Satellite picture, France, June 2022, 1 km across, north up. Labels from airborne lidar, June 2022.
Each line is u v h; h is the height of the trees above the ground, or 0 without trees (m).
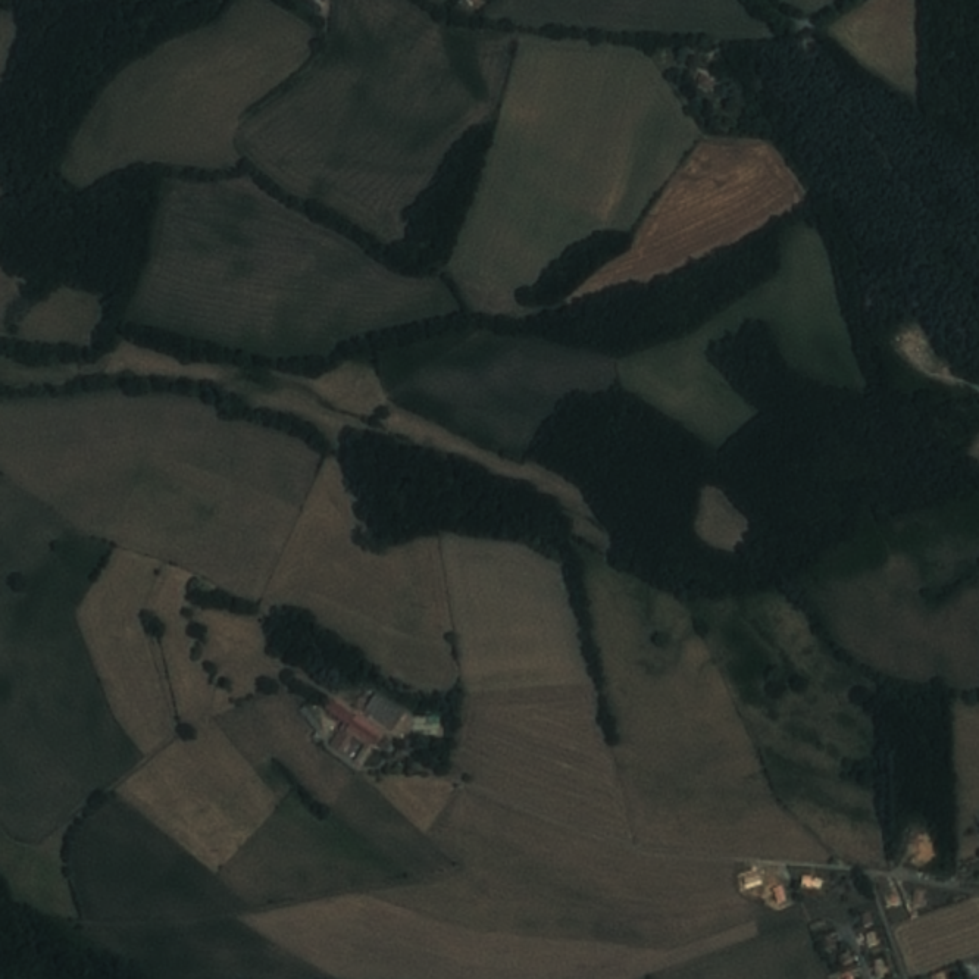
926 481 14
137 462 0
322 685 16
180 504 0
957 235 16
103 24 24
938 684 13
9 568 0
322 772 0
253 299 0
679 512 17
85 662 0
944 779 13
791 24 20
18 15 16
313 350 0
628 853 0
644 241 0
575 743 0
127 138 0
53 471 0
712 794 0
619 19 0
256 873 0
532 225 0
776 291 0
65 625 0
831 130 22
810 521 15
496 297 0
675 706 0
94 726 0
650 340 13
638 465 16
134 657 0
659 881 0
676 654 0
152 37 22
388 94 0
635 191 0
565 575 11
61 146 12
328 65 0
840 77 19
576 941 0
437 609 0
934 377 0
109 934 0
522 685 0
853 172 22
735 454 14
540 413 0
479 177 18
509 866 0
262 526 0
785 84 24
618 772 0
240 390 0
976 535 0
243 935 0
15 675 0
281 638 23
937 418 13
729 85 14
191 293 0
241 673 0
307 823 0
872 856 0
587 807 0
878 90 20
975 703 15
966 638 0
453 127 0
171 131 0
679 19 0
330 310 0
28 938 7
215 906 0
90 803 14
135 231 18
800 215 16
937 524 0
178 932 0
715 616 0
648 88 0
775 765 0
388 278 0
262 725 0
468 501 22
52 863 0
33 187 13
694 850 0
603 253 15
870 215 22
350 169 0
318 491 0
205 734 0
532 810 0
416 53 0
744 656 0
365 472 24
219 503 0
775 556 14
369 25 0
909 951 0
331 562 0
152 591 0
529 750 0
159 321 0
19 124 17
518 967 0
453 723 17
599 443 14
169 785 0
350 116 0
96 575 10
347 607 0
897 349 0
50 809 0
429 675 0
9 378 0
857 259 18
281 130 0
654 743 0
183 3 9
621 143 0
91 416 0
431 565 0
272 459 0
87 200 18
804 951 0
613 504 15
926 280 29
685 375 0
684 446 17
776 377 15
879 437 19
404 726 0
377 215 0
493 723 0
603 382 0
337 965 0
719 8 0
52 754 0
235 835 0
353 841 0
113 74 15
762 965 0
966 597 0
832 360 0
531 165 0
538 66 0
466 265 0
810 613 30
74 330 0
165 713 0
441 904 0
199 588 16
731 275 17
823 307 0
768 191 0
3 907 11
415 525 17
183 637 0
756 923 0
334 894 0
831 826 0
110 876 0
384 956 0
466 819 0
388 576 0
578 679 0
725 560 21
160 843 0
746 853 0
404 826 0
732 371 12
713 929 0
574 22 0
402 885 0
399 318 0
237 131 0
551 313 16
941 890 0
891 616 0
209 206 0
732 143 0
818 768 0
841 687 0
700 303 14
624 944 0
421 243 20
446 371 0
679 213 0
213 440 0
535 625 0
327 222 13
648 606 0
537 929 0
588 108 0
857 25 0
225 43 0
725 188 0
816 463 14
